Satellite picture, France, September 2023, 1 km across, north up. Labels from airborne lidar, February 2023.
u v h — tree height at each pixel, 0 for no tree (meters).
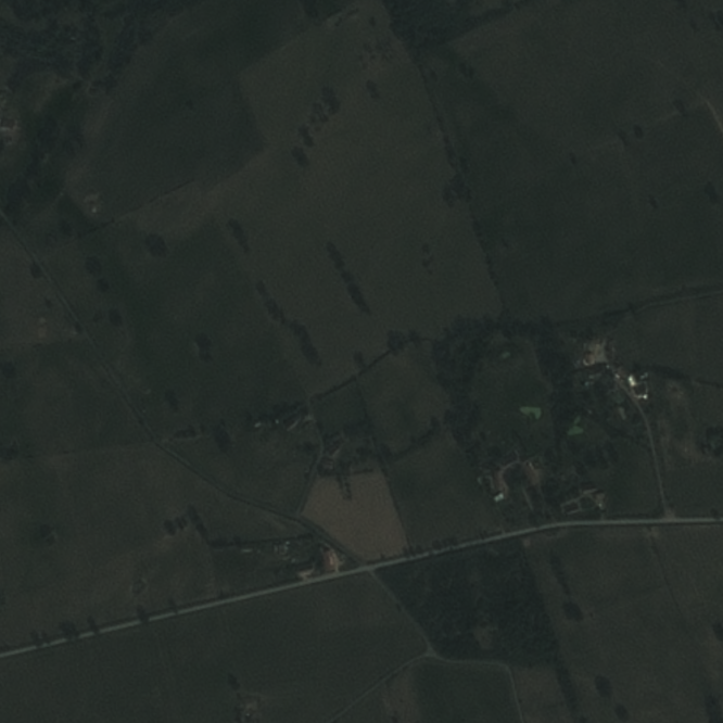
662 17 0
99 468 0
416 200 0
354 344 0
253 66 0
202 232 0
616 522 0
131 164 0
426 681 0
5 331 0
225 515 0
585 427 0
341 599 0
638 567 0
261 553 0
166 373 0
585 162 0
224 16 0
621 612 0
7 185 0
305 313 0
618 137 0
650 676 0
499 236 0
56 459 0
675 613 0
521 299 0
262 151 0
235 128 0
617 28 0
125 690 0
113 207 0
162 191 0
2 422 0
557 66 0
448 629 16
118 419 0
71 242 0
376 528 0
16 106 0
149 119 0
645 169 0
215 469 0
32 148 0
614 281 0
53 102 0
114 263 0
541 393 0
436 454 0
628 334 0
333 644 0
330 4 0
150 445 0
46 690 0
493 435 0
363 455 8
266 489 0
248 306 0
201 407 0
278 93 0
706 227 0
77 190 0
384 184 0
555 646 8
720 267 0
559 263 0
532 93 0
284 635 0
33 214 0
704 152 0
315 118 11
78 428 0
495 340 0
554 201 0
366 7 0
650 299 0
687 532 0
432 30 9
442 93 0
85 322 0
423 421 0
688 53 0
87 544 0
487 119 0
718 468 0
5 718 0
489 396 0
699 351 0
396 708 0
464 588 10
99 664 0
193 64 0
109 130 0
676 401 0
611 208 0
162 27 0
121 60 14
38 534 0
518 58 0
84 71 15
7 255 0
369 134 0
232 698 0
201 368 0
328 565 0
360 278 0
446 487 0
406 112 0
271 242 0
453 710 0
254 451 0
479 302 0
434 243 0
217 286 0
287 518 0
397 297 0
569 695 8
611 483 0
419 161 0
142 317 0
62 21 0
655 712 0
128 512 0
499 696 0
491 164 0
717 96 0
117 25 0
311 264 0
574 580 0
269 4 0
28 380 0
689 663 0
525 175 0
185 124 0
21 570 0
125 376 0
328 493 0
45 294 0
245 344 0
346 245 0
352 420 0
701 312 0
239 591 0
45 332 0
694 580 0
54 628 0
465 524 0
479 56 0
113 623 0
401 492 0
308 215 0
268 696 0
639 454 0
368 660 0
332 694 0
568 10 0
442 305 0
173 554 0
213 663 0
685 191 0
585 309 0
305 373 0
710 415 0
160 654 0
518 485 16
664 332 0
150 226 0
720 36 0
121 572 0
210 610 0
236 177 0
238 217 0
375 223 0
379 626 0
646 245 0
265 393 0
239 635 0
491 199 0
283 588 0
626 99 0
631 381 0
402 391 0
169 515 0
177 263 0
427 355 0
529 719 0
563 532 0
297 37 0
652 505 0
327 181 0
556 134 0
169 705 0
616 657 0
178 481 0
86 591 0
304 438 0
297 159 16
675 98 0
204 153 0
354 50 0
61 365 0
